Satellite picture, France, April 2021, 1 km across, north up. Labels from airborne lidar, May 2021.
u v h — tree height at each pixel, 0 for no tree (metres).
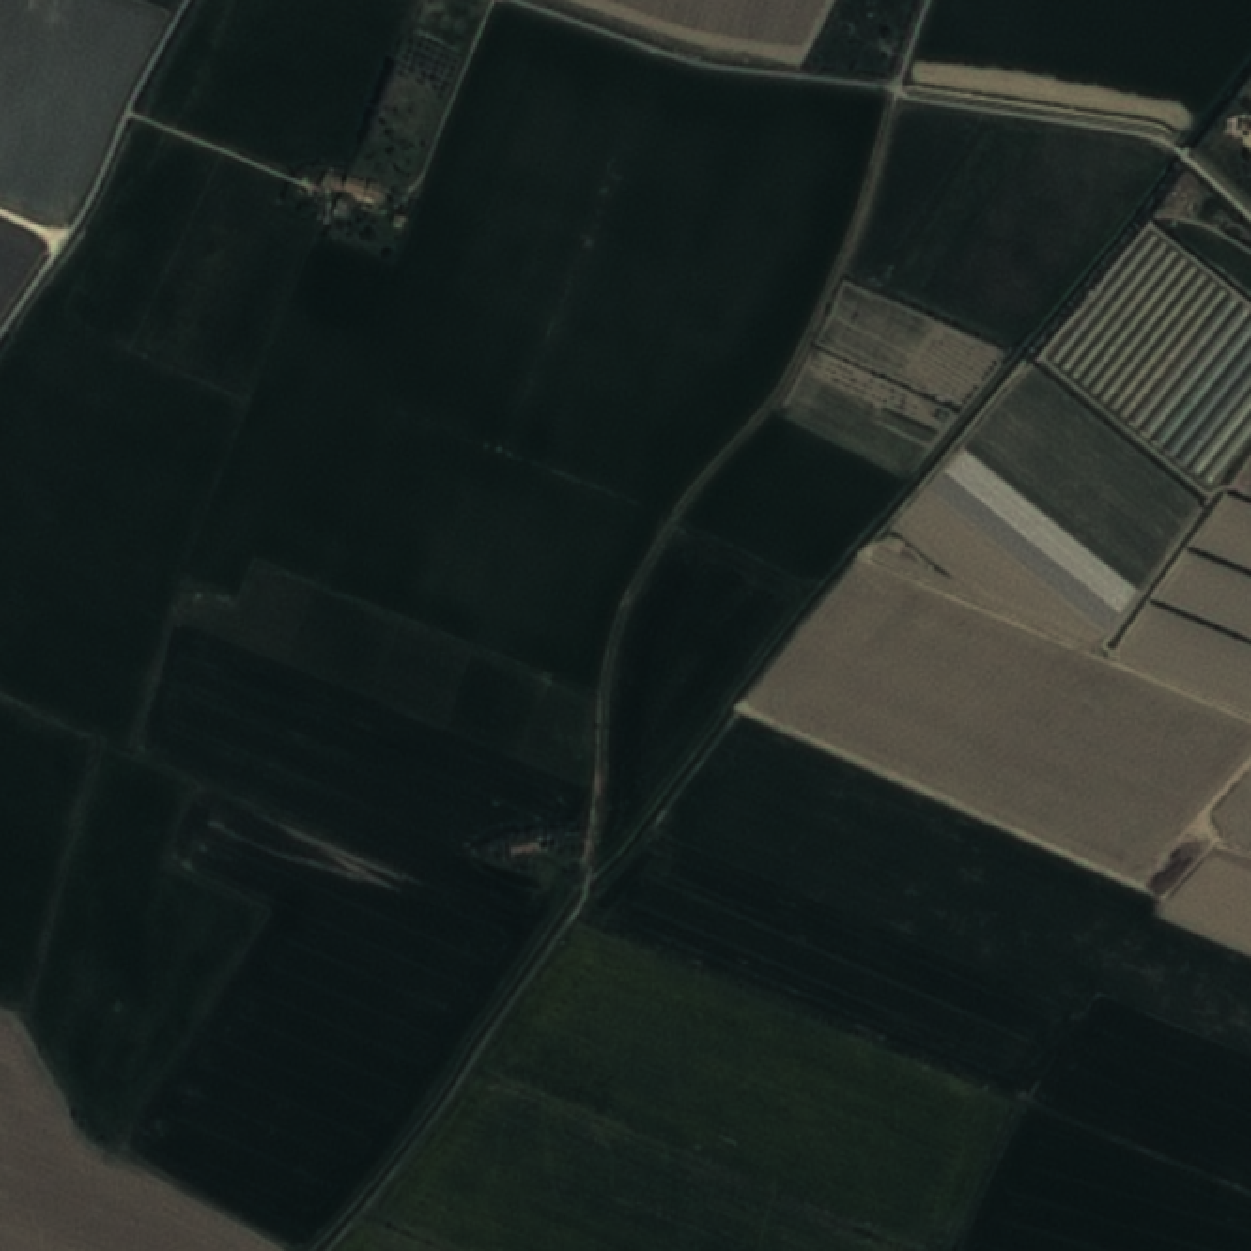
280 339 0
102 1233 0
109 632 0
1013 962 0
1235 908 0
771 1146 0
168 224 0
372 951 0
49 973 0
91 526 0
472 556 0
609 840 0
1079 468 0
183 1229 0
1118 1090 0
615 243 0
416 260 0
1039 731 0
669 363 0
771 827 0
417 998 0
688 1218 0
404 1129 0
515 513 0
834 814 0
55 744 0
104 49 0
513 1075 0
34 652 0
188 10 6
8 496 0
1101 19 0
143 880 0
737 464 0
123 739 0
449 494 0
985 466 0
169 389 0
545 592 0
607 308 0
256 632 0
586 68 0
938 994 0
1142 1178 0
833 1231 0
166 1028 0
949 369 0
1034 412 0
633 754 0
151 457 0
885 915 0
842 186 0
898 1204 0
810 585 0
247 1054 0
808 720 0
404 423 0
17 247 0
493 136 0
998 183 0
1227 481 0
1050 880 0
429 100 0
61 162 0
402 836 0
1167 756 0
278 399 0
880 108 0
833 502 0
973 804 0
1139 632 0
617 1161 0
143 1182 0
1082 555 0
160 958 0
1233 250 0
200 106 0
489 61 0
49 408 0
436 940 0
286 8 0
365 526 0
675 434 0
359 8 0
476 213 0
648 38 0
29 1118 0
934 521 0
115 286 0
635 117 0
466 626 0
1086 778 0
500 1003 0
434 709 0
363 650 0
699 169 0
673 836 0
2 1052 0
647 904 0
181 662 0
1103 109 0
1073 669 0
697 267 0
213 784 0
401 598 0
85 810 0
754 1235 0
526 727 0
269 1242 0
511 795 0
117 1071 0
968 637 0
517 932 0
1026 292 0
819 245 0
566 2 0
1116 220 0
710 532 0
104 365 0
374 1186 0
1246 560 0
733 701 0
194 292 0
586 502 0
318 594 0
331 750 0
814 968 0
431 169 0
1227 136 0
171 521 0
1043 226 0
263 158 0
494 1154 0
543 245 0
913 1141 0
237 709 0
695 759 0
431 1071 0
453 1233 0
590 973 0
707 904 0
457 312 0
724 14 0
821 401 0
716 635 0
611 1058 0
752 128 0
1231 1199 0
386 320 0
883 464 0
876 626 0
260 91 0
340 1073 0
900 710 0
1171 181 10
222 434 0
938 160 0
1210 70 0
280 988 0
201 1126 0
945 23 0
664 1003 0
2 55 0
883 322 0
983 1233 0
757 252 0
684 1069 0
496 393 0
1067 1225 0
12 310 0
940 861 0
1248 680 0
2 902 0
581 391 0
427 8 0
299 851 0
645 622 0
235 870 0
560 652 0
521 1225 0
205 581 0
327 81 0
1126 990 0
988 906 0
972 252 0
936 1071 0
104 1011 0
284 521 0
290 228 0
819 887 0
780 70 0
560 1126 0
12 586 0
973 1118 0
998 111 0
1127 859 0
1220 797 0
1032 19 0
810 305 0
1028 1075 0
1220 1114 0
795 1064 0
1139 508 0
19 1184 0
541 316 0
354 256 0
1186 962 0
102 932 0
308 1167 0
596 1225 0
